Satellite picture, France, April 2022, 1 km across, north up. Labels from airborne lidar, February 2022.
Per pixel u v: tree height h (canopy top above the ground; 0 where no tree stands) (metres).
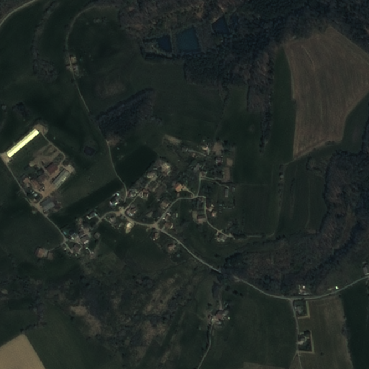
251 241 0
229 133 0
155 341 0
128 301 0
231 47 27
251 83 16
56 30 0
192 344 0
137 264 0
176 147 6
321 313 0
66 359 0
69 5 0
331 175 27
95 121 15
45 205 0
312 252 25
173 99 0
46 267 0
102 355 0
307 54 0
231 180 0
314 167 0
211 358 0
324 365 0
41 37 0
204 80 23
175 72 0
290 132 0
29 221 0
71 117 0
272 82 21
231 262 20
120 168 0
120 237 0
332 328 0
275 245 16
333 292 0
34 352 0
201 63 25
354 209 31
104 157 0
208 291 0
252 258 10
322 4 9
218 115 0
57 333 0
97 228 17
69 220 0
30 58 0
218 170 19
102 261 0
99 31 0
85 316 0
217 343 0
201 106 0
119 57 0
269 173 0
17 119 0
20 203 0
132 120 25
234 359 0
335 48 0
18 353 0
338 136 0
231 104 0
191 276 0
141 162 0
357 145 0
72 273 0
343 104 0
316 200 0
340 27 32
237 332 0
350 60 0
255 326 0
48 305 0
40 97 0
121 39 0
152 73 0
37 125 0
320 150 0
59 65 0
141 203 0
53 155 0
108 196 0
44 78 15
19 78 0
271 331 0
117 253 0
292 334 0
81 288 0
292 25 28
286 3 28
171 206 0
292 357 0
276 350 0
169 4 32
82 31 0
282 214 0
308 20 23
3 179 0
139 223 0
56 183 0
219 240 0
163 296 0
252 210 0
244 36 21
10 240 0
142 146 0
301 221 0
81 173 0
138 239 0
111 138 20
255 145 0
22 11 0
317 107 0
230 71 9
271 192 0
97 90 0
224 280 16
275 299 0
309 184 0
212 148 11
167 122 0
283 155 0
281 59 0
